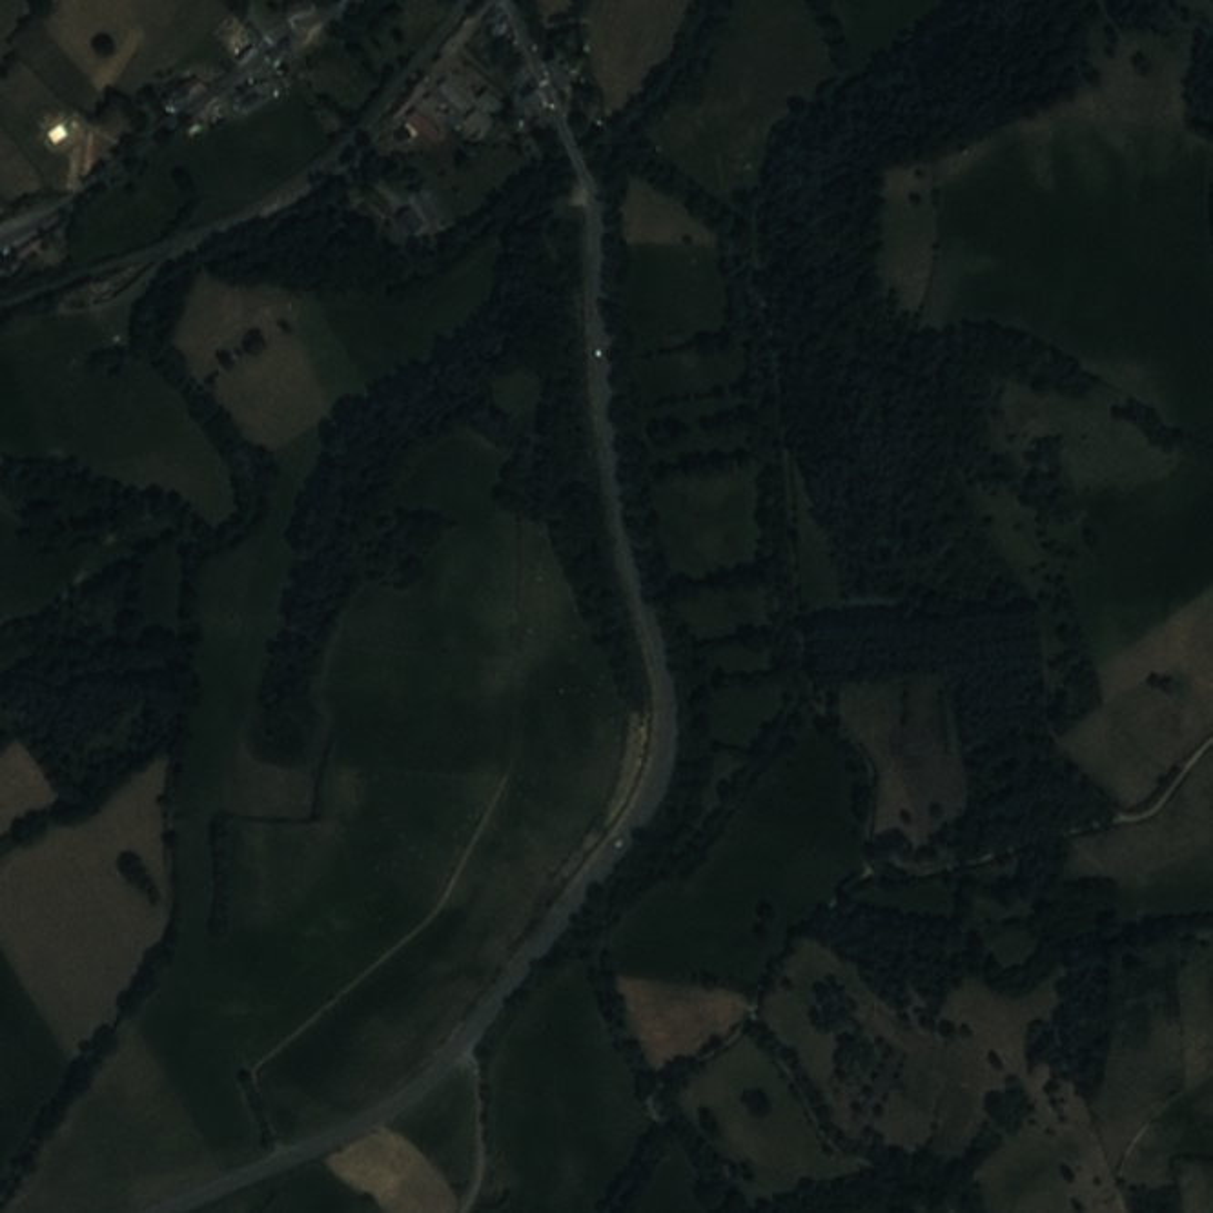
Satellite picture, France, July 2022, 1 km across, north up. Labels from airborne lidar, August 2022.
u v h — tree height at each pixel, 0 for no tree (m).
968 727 17
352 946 0
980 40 21
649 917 0
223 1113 0
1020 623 23
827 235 12
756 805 0
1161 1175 0
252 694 0
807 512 0
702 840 12
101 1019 0
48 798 0
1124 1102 0
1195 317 0
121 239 0
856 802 14
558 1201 0
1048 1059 12
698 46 8
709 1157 11
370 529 9
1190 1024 0
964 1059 0
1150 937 20
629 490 21
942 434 19
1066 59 10
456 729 0
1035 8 24
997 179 0
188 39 0
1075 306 0
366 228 19
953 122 18
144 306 19
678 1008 0
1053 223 0
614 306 18
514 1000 14
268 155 0
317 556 17
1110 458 0
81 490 20
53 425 0
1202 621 0
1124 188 0
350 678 0
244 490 19
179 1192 0
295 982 0
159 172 0
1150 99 0
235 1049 0
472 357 26
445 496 0
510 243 21
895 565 6
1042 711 14
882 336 13
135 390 0
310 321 0
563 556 14
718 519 0
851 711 0
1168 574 0
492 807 0
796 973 0
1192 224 0
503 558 0
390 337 0
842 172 8
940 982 12
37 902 0
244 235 17
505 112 17
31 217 0
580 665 0
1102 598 0
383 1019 0
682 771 17
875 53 0
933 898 0
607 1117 0
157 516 24
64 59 0
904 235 0
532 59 0
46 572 0
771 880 0
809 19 0
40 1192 0
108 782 15
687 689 9
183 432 0
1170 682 6
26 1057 0
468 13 7
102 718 26
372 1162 0
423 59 0
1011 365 10
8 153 0
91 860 0
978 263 0
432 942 0
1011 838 16
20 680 24
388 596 0
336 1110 0
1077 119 0
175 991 0
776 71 0
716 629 0
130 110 18
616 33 0
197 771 0
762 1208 16
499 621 0
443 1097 0
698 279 0
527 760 0
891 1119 0
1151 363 0
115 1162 0
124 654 20
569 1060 0
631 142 8
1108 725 0
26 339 0
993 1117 12
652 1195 0
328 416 0
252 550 0
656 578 27
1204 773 0
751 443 7
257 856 0
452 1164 0
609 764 0
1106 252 0
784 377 10
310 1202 0
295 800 0
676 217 0
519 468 9
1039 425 0
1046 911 22
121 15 0
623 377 21
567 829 0
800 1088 7
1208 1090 0
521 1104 0
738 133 0
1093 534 12
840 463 18
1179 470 0
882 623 26
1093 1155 0
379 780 0
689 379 0
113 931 0
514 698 0
